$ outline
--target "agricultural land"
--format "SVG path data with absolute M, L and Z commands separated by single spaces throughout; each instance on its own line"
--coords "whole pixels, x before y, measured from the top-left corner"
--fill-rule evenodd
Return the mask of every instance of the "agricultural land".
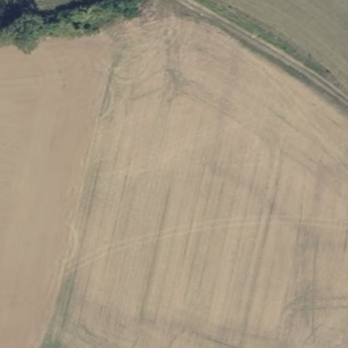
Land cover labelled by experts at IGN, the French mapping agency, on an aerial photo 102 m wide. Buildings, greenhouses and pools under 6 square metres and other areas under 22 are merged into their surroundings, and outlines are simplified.
M 326 68 L 325 72 L 328 72 L 336 76 L 340 83 L 348 80 L 348 0 L 209 0 L 222 10 L 231 12 L 287 42 L 299 53 L 309 50 L 314 63 L 322 65 Z
M 83 190 L 79 193 L 75 220 L 71 224 L 67 256 L 61 268 L 63 283 L 53 306 L 48 330 L 39 348 L 348 348 L 348 117 L 343 111 L 319 97 L 317 92 L 306 84 L 243 48 L 234 38 L 212 24 L 194 23 L 175 15 L 162 20 L 155 20 L 152 16 L 144 23 L 139 16 L 132 19 L 121 16 L 116 23 L 106 26 L 98 33 L 88 35 L 88 38 L 101 37 L 109 43 L 111 57 L 103 58 L 97 64 L 97 72 L 101 73 L 98 77 L 98 86 L 103 92 L 102 107 L 92 135 Z

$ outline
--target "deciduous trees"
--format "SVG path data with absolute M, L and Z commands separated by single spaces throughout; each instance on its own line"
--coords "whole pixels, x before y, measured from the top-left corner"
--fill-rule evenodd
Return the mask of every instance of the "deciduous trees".
M 106 26 L 116 23 L 121 16 L 132 19 L 139 16 L 139 7 L 145 0 L 0 0 L 0 48 L 16 46 L 20 52 L 29 56 L 42 42 L 49 39 L 76 41 L 88 38 L 88 35 L 98 33 Z

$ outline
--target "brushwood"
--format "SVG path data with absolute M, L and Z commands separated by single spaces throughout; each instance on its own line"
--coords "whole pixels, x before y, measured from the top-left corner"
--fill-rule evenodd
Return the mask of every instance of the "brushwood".
M 227 19 L 261 42 L 272 43 L 319 75 L 325 77 L 328 72 L 325 72 L 326 68 L 322 65 L 314 63 L 309 50 L 299 53 L 287 42 L 231 12 L 222 10 L 209 0 L 196 0 L 209 8 L 213 14 Z

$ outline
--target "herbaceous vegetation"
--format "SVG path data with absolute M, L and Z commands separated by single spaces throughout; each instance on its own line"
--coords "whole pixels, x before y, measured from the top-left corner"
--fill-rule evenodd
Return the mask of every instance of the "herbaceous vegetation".
M 317 92 L 319 97 L 343 111 L 348 117 L 348 80 L 340 83 L 336 76 L 328 72 L 325 77 L 319 75 L 272 43 L 261 42 L 227 19 L 213 14 L 209 8 L 196 0 L 145 0 L 139 7 L 139 16 L 144 23 L 152 16 L 155 20 L 162 20 L 175 15 L 194 23 L 212 24 L 234 38 L 243 48 L 306 84 Z

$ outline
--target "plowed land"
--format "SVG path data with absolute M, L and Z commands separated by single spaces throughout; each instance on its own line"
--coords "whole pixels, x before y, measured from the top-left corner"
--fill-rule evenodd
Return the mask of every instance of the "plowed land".
M 103 58 L 111 57 L 109 43 L 101 37 L 88 38 L 76 41 L 49 39 L 42 42 L 29 56 L 20 52 L 16 46 L 0 48 L 0 348 L 39 348 L 48 330 L 53 306 L 63 283 L 61 268 L 67 256 L 71 224 L 75 220 L 79 193 L 83 190 L 92 135 L 102 107 L 103 92 L 98 86 L 98 77 L 101 73 L 97 72 L 97 64 Z

